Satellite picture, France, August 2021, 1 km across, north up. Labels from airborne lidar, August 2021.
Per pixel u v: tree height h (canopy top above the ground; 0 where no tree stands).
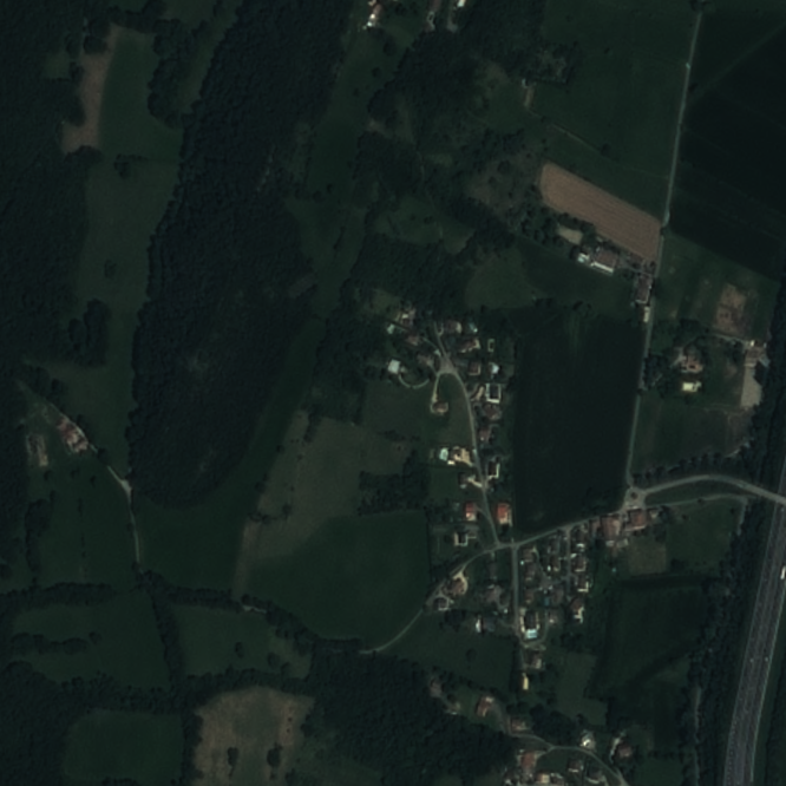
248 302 6
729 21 0
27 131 16
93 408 0
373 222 12
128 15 20
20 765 10
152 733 0
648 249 0
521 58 14
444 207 6
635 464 0
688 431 0
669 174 0
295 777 11
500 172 7
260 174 9
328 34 13
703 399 0
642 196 0
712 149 0
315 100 11
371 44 0
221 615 0
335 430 0
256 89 16
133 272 0
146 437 10
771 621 0
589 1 0
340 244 9
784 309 17
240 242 10
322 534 0
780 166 0
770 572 0
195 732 19
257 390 12
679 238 0
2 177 12
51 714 20
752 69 0
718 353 0
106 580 0
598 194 0
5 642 22
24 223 17
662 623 0
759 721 0
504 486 14
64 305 8
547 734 20
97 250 0
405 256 6
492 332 8
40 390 11
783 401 17
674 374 8
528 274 0
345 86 0
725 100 0
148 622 0
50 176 20
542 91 0
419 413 0
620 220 0
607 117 0
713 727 13
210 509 0
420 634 0
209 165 21
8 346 18
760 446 17
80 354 19
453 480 0
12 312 19
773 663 0
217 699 0
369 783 0
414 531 0
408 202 0
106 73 0
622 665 0
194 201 23
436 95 15
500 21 14
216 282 11
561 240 13
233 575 0
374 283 7
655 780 0
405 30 0
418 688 21
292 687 16
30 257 19
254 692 0
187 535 0
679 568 12
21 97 16
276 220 9
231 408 8
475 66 9
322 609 0
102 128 0
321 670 7
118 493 0
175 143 0
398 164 9
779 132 0
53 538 0
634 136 0
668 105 0
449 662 0
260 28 22
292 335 13
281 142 9
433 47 21
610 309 0
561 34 0
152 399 12
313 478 0
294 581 0
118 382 0
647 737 0
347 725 11
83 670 0
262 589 0
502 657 0
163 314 13
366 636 0
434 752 18
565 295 0
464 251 9
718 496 0
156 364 14
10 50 17
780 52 0
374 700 15
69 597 16
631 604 0
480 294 0
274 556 0
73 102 18
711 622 16
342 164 0
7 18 15
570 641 6
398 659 8
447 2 7
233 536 0
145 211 0
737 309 0
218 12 14
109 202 0
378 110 14
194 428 7
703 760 9
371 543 0
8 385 19
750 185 0
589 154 0
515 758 18
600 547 13
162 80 17
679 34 0
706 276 0
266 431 0
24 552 10
